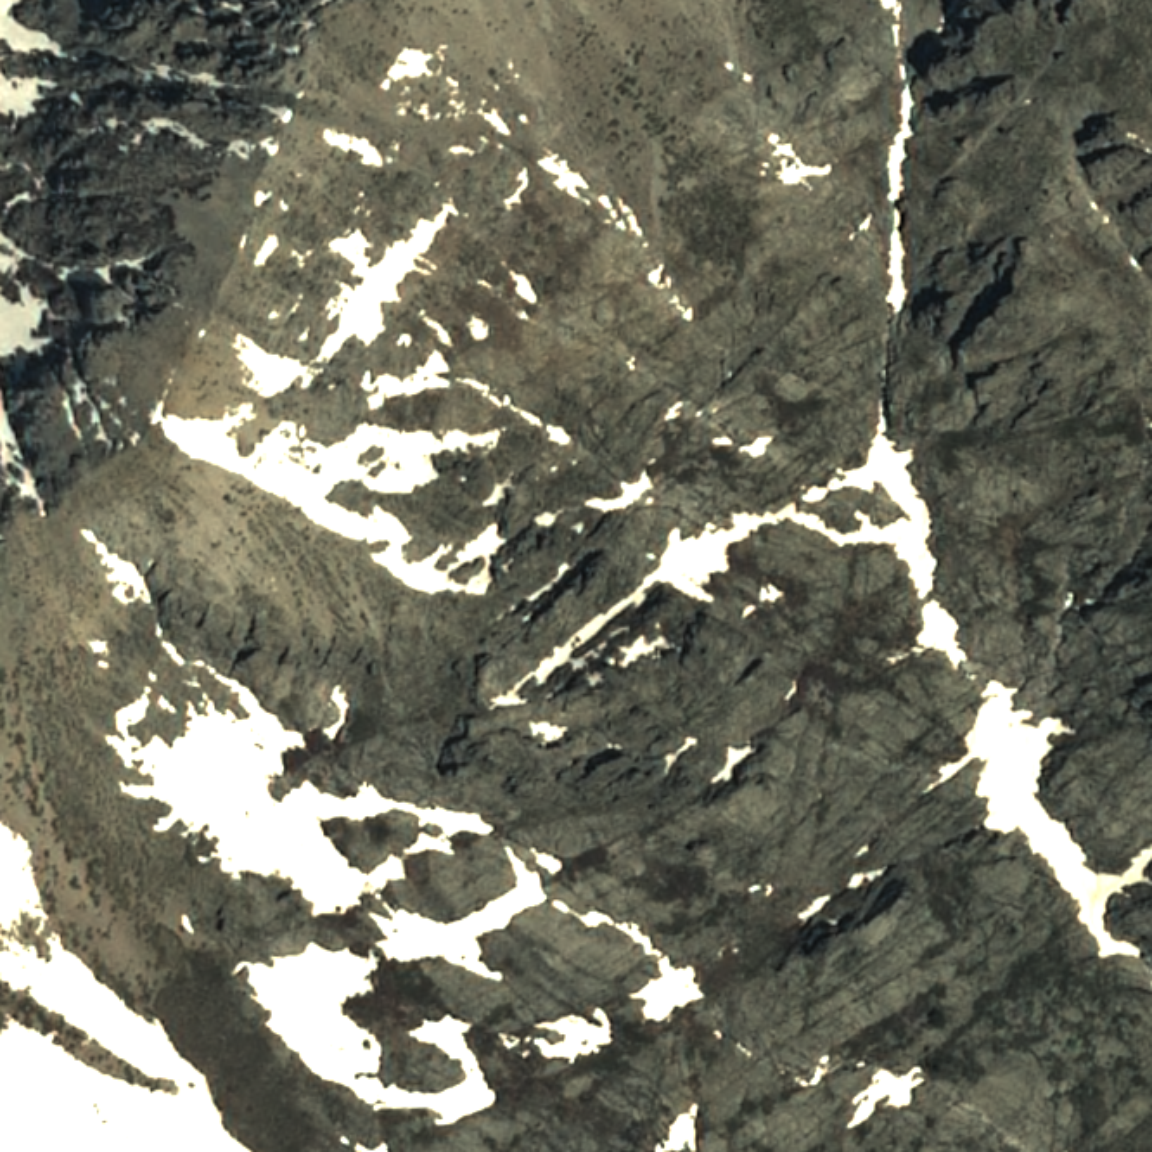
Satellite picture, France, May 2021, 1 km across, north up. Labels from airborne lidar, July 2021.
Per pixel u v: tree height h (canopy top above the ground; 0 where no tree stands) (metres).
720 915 0
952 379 0
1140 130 0
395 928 0
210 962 0
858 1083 0
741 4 0
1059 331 0
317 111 0
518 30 0
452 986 0
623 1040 0
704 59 0
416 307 0
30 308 0
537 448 0
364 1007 0
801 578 0
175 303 0
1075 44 0
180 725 0
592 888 0
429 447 0
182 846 0
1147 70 0
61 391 0
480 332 0
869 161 0
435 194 0
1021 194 0
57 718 0
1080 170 0
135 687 0
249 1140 0
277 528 0
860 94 0
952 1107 0
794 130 0
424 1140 0
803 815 0
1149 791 0
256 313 0
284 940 0
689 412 0
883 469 0
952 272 0
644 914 0
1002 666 0
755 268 0
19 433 0
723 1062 0
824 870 0
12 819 0
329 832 0
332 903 0
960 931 0
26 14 0
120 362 0
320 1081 0
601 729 0
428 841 0
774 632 0
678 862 0
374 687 0
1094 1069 0
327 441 0
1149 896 0
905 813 0
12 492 0
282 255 0
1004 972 0
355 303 0
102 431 0
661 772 0
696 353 0
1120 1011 0
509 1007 0
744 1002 0
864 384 0
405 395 0
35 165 0
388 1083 0
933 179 0
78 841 0
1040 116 0
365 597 0
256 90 0
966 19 0
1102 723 6
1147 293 0
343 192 0
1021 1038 0
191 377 0
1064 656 0
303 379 0
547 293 0
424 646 0
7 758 0
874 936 0
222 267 0
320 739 0
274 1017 0
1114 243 0
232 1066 0
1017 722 0
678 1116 0
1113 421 0
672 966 0
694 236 0
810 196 0
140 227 0
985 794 0
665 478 0
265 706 0
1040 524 0
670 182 0
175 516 0
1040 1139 0
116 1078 0
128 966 0
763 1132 0
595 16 0
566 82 0
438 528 0
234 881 0
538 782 0
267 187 0
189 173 0
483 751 0
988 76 0
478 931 0
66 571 0
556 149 0
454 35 0
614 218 0
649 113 0
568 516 0
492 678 0
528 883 0
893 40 0
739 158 0
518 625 0
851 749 0
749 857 0
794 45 0
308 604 0
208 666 0
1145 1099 0
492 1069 0
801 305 0
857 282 0
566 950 0
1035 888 0
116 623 0
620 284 0
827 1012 0
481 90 0
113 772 0
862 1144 0
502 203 0
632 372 0
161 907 0
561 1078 0
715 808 0
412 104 0
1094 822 0
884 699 0
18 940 0
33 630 0
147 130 0
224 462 0
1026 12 0
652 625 0
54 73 0
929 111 0
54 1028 0
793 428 0
